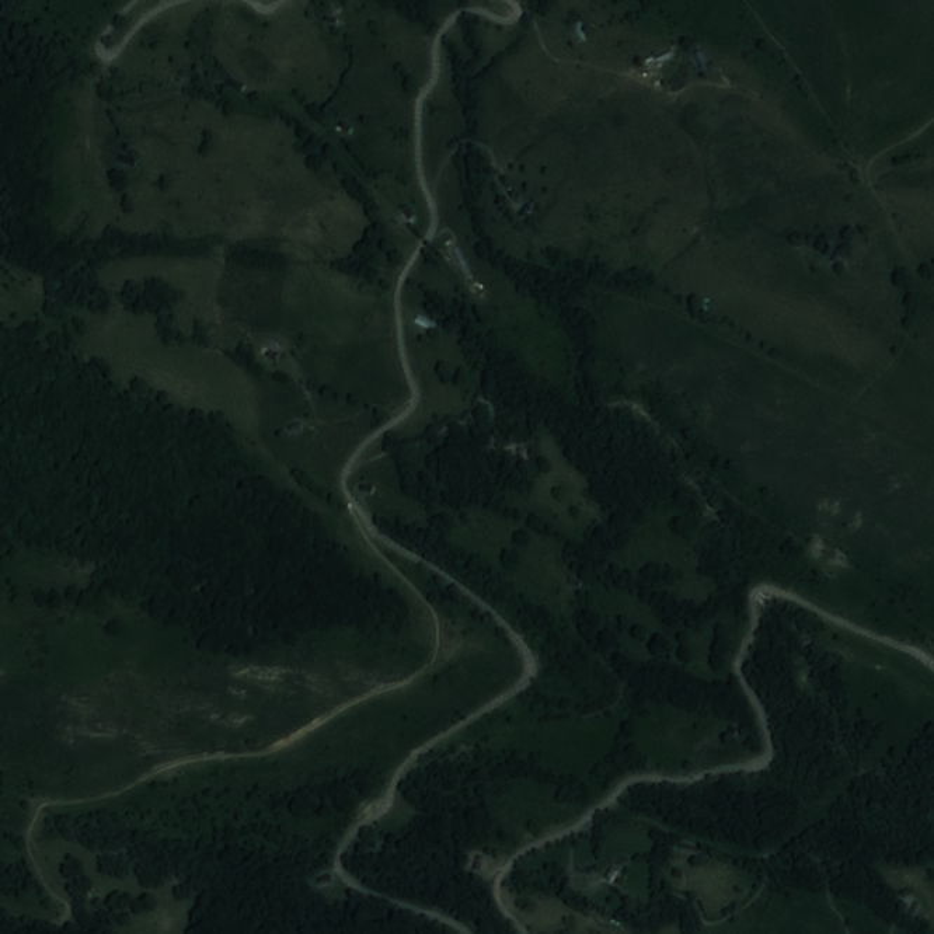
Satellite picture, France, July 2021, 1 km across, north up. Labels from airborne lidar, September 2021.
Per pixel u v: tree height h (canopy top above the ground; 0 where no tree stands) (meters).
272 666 0
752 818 18
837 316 0
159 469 25
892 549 0
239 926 31
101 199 0
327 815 24
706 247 0
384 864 24
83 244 9
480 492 14
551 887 7
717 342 0
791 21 0
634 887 0
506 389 23
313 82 0
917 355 0
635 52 0
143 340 0
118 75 15
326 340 0
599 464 23
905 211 0
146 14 0
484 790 15
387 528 17
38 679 0
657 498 13
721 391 0
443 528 19
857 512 0
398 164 0
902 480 0
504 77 0
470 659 0
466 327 21
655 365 0
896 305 0
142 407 25
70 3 0
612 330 0
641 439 22
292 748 0
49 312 19
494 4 0
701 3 0
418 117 0
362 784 14
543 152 0
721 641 17
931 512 0
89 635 0
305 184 0
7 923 24
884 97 0
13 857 0
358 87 0
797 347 0
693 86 0
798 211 0
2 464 19
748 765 0
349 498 0
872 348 0
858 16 0
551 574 0
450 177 0
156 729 0
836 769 21
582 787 9
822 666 18
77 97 0
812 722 12
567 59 0
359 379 0
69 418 27
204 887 21
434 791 14
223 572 24
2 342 23
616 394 8
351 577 17
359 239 0
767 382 0
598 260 9
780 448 0
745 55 8
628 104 0
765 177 0
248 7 0
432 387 0
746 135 0
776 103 0
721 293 0
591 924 0
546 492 0
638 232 8
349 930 21
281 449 0
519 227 7
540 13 8
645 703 11
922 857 22
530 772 8
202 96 12
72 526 22
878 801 23
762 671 16
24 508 17
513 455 12
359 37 0
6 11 20
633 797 14
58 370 23
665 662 9
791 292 0
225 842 16
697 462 6
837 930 0
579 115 0
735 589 11
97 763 0
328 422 0
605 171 0
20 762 0
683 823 19
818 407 0
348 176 10
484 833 9
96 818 17
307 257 0
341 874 0
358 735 0
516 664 0
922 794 20
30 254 17
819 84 0
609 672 8
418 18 10
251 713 0
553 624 16
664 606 19
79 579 0
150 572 18
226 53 0
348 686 0
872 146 0
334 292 0
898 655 0
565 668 9
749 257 0
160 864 21
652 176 0
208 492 26
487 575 17
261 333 0
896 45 0
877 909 16
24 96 20
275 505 24
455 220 0
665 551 0
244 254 8
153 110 0
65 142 0
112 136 0
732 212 0
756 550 7
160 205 0
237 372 0
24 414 23
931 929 22
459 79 15
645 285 6
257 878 25
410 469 14
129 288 15
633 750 17
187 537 24
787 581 6
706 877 0
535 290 14
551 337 0
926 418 0
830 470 0
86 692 0
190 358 0
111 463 26
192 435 25
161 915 0
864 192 0
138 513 26
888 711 0
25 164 22
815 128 0
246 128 0
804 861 16
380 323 0
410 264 0
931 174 0
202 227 0
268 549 16
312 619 15
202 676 0
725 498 11
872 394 0
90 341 0
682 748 0
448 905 26
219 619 22
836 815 12
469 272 0
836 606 0
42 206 16
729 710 25
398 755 0
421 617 0
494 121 0
